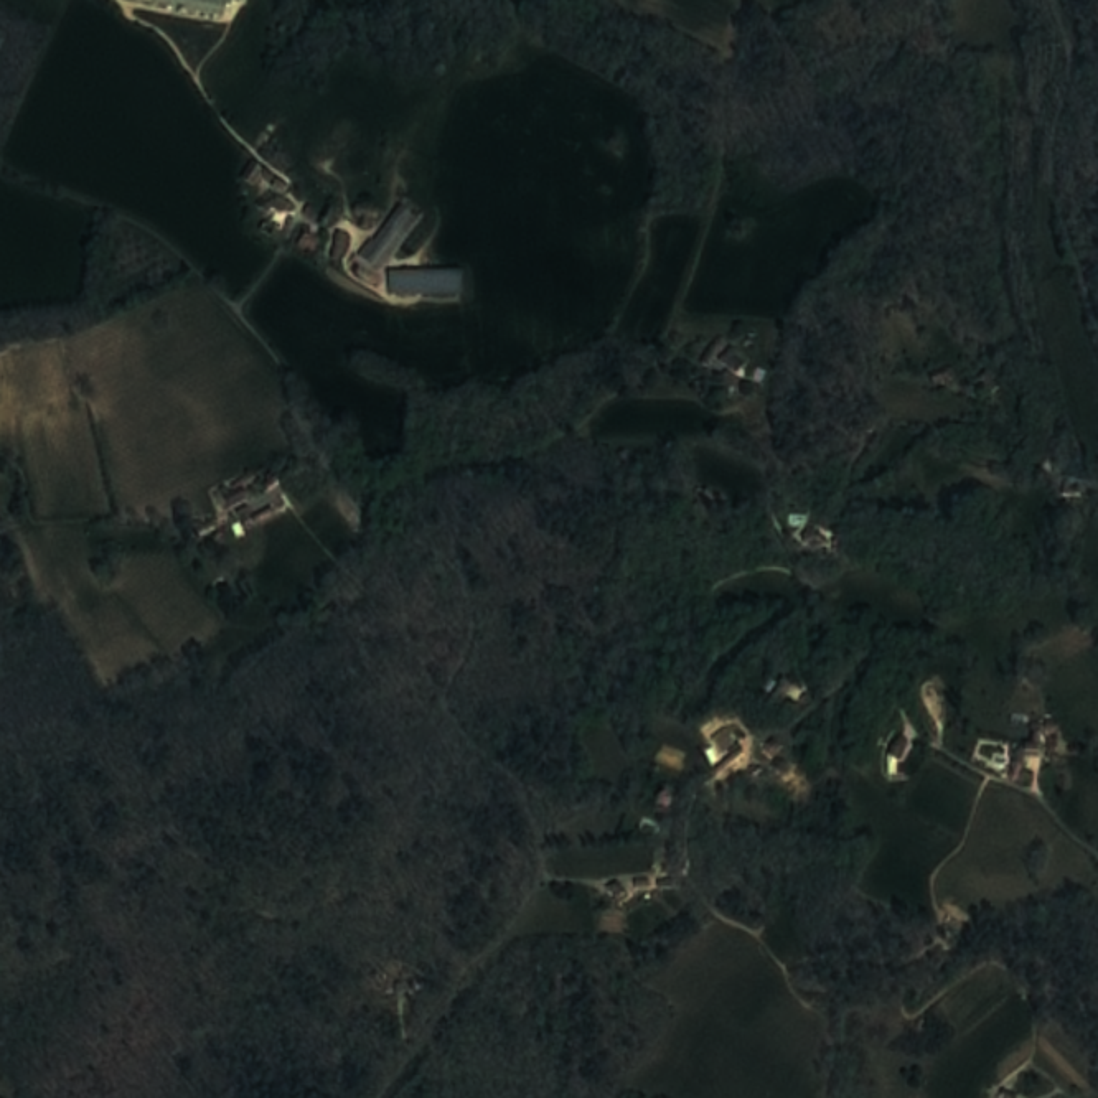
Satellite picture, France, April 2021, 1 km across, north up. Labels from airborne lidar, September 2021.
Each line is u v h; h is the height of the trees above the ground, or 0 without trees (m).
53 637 19
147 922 11
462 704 17
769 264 0
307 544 0
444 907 16
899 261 27
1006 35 0
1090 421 0
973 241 26
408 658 19
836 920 15
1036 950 24
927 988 11
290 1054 24
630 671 15
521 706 19
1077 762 0
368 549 22
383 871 17
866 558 23
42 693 20
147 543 0
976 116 21
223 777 22
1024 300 30
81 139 0
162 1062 13
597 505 23
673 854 15
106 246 15
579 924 0
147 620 0
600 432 0
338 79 0
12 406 0
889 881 0
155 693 19
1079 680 0
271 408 0
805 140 16
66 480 0
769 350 0
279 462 13
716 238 0
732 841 20
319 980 20
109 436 0
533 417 20
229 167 0
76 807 21
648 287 0
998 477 17
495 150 0
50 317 15
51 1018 14
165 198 0
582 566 7
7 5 15
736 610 24
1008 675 16
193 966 20
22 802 17
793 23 15
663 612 19
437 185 0
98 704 15
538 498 28
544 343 0
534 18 21
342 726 19
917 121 22
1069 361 0
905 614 0
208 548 10
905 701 19
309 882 12
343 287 0
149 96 0
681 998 0
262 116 0
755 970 0
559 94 0
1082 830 0
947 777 0
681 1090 0
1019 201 24
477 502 17
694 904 9
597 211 0
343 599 15
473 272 0
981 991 0
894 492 0
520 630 17
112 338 0
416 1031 18
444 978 20
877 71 12
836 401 13
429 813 16
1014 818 0
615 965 14
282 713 18
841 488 18
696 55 16
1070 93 23
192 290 0
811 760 21
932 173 24
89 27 0
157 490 0
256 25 0
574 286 0
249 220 6
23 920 16
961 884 0
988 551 24
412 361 0
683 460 26
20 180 10
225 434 0
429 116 0
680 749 0
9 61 19
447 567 17
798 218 0
